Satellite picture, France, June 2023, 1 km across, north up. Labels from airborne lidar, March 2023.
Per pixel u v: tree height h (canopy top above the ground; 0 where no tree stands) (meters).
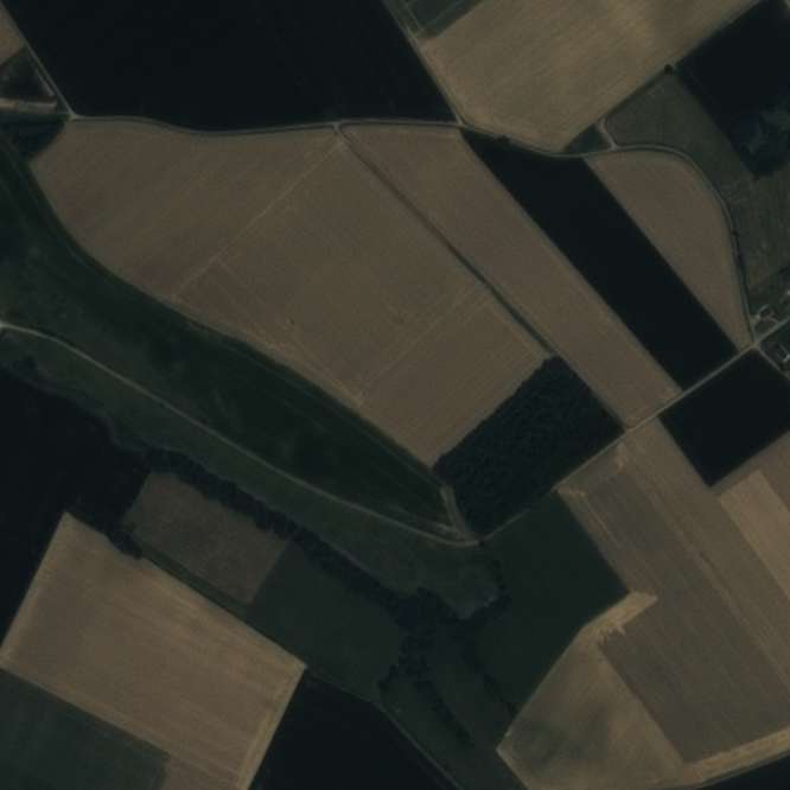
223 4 0
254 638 0
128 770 0
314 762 0
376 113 0
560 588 0
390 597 24
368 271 0
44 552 0
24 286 0
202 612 0
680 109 0
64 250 0
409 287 0
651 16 0
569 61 0
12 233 0
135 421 0
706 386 0
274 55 0
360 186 0
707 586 0
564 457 11
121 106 0
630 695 0
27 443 0
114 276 0
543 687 0
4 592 0
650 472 0
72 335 0
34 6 0
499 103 0
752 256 0
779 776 0
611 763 0
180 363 0
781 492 0
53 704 0
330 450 0
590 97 0
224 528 0
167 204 0
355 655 0
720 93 0
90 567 0
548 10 0
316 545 26
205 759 0
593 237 0
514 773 0
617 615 0
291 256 0
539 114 0
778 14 0
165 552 0
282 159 0
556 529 0
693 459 0
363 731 0
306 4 0
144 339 0
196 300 0
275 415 0
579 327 0
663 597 0
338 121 0
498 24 0
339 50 0
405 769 0
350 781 0
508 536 0
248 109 0
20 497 0
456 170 0
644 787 0
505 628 0
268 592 0
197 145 0
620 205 0
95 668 0
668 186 0
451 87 0
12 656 0
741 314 0
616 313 0
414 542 0
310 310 0
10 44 0
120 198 0
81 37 0
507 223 0
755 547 0
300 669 0
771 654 0
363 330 0
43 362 0
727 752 0
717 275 0
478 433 10
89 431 0
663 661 0
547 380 15
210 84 0
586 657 0
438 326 0
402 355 0
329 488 0
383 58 0
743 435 0
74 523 0
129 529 0
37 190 0
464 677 0
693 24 0
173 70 0
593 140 0
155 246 0
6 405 0
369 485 0
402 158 0
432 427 0
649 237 0
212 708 0
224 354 0
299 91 0
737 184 0
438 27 0
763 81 0
